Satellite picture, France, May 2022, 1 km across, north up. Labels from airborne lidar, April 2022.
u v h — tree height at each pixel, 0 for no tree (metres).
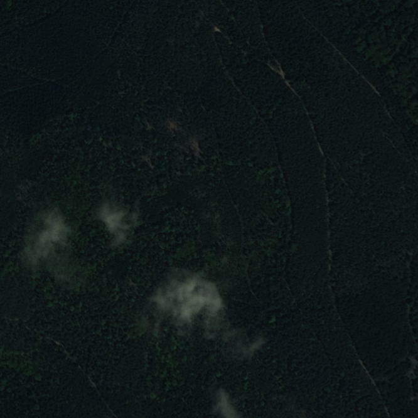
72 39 15
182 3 15
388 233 20
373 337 22
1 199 6
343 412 19
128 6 9
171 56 16
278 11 24
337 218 19
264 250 26
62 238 23
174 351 16
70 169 24
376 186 20
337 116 21
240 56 23
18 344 14
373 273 22
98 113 7
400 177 22
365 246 22
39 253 22
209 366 18
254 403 19
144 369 20
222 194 7
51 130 9
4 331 14
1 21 15
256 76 25
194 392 14
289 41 22
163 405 11
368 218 18
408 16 33
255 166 13
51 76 17
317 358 25
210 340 7
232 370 16
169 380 14
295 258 19
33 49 18
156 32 16
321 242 21
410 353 19
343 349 23
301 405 20
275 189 15
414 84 22
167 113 20
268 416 10
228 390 22
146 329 18
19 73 10
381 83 25
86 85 19
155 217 10
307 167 21
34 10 16
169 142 20
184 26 17
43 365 10
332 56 22
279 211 18
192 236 21
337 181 21
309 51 28
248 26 20
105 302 19
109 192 21
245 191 9
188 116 20
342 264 22
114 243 20
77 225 19
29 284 28
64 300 26
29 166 8
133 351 22
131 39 15
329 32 25
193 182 9
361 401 18
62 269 15
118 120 6
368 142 19
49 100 29
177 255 21
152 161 10
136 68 9
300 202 20
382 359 19
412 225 19
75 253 21
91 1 19
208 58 15
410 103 20
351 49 24
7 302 29
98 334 21
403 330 17
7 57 19
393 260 20
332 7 34
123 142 9
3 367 30
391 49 33
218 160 16
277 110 30
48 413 23
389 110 24
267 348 14
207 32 18
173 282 25
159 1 18
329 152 18
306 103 20
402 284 19
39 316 23
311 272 15
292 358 27
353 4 26
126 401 16
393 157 19
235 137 26
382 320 19
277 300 20
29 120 24
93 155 24
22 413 16
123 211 18
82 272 26
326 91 17
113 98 11
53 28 23
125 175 16
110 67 14
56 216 23
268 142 18
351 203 18
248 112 20
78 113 13
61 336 24
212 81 25
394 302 22
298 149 20
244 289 9
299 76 25
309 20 26
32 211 23
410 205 15
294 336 27
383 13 25
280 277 18
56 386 19
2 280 25
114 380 22
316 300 15
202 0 21
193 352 19
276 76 24
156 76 17
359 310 24
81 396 18
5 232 10
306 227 18
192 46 17
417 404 17
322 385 25
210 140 22
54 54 13
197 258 28
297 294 17
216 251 25
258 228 13
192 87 16
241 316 16
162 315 14
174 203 8
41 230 23
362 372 20
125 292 19
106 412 22
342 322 13
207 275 6
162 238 26
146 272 25
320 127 16
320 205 20
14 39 16
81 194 22
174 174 15
